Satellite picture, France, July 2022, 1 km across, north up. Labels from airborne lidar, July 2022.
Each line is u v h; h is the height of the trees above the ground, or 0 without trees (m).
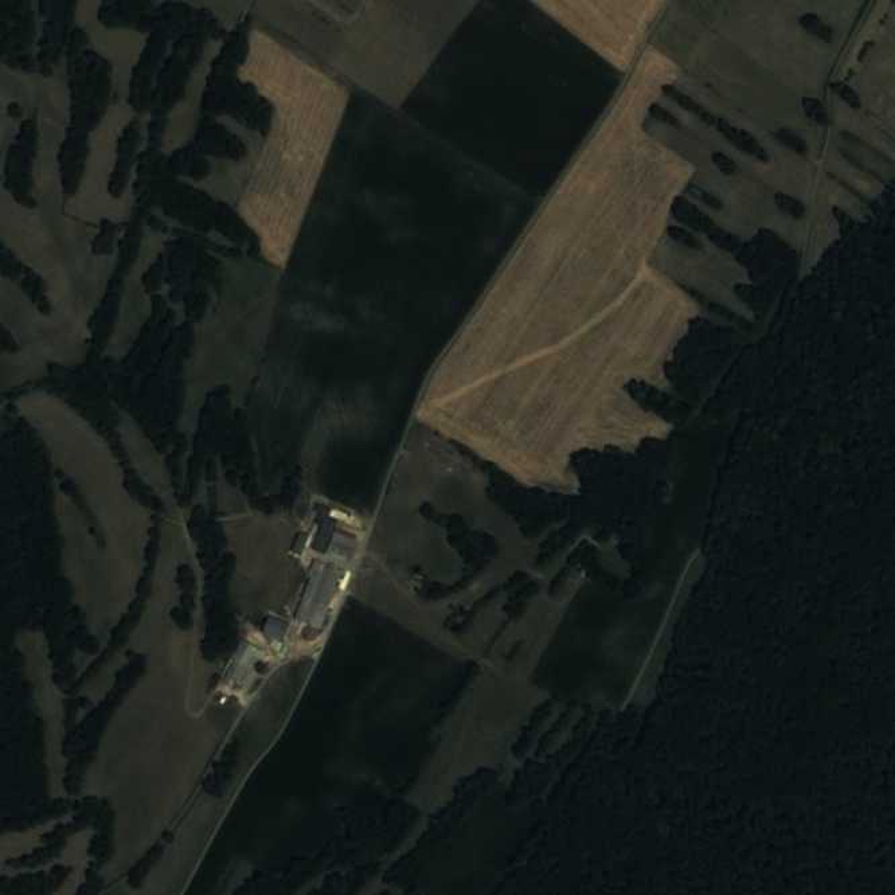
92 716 13
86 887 14
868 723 21
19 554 17
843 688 22
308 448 0
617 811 23
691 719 21
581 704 6
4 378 0
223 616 20
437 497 0
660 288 0
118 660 0
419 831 0
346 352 0
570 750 10
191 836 0
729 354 14
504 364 0
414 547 0
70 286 0
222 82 23
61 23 16
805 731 18
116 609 0
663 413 19
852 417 22
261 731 0
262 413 0
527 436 0
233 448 17
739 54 0
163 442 15
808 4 0
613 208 0
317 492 0
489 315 0
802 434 22
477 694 0
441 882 0
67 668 16
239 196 0
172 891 0
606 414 0
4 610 17
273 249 0
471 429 0
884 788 18
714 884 21
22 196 14
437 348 0
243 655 0
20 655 18
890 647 19
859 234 17
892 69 0
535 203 0
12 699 20
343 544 0
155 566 9
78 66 16
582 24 0
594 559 11
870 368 25
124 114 0
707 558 12
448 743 0
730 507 20
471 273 0
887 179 0
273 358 0
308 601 0
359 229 0
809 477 20
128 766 0
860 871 23
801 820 13
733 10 0
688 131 0
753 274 13
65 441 0
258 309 0
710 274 0
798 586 19
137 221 9
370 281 0
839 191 0
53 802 12
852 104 13
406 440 0
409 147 0
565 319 0
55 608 21
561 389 0
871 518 24
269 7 0
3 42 13
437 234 0
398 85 0
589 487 25
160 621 0
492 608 0
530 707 0
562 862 22
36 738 17
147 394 21
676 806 23
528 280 0
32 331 0
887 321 25
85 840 0
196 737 0
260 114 17
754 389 21
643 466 19
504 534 0
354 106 0
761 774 23
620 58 0
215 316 0
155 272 16
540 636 0
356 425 0
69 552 0
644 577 7
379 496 0
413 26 0
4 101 0
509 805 12
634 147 0
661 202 0
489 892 0
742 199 0
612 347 0
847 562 23
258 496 21
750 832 21
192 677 0
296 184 0
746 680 19
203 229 22
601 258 0
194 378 0
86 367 12
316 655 0
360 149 0
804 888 19
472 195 0
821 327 24
